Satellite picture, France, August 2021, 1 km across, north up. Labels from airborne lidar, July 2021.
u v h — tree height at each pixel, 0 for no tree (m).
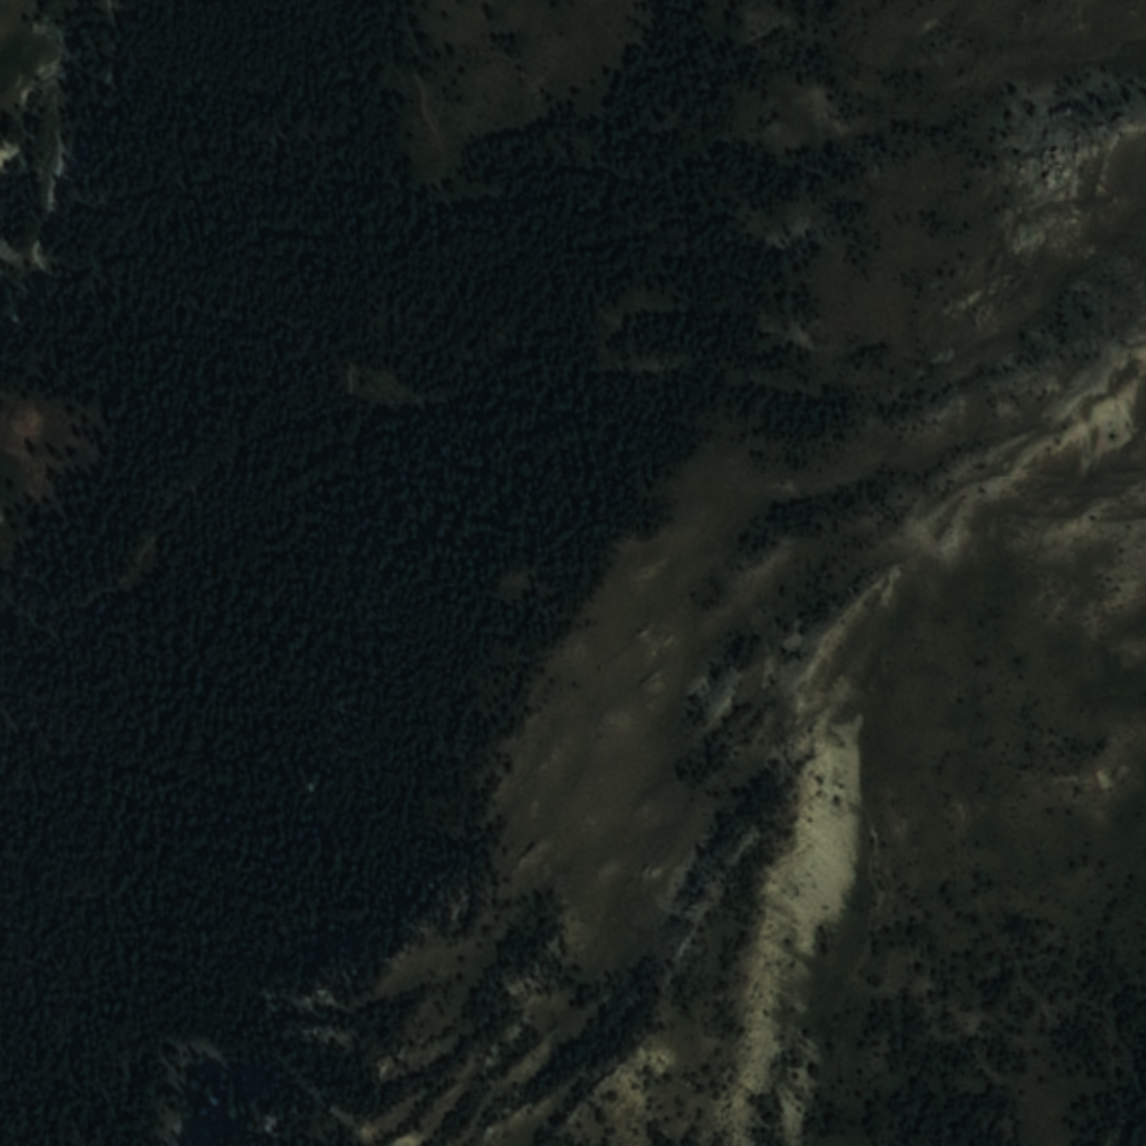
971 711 0
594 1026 7
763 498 0
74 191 10
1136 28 0
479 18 0
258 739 17
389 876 12
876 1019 10
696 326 11
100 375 13
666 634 0
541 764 0
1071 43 0
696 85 7
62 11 0
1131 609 0
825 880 0
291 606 16
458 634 10
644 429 11
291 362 17
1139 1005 7
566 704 0
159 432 7
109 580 11
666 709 0
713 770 6
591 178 18
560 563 11
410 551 7
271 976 9
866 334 0
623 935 0
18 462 0
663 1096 0
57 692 22
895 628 0
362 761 10
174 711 18
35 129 16
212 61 21
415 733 11
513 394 14
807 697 0
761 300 8
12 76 0
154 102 20
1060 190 0
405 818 16
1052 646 0
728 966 9
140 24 21
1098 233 0
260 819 17
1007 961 7
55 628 10
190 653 21
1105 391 0
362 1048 12
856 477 0
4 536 0
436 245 19
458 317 13
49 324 22
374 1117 7
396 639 10
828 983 0
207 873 14
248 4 21
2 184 8
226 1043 11
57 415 0
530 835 0
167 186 21
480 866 11
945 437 0
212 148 19
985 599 0
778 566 0
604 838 0
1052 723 0
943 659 0
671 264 14
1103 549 0
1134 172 0
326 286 18
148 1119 14
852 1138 0
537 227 17
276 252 24
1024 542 0
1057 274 0
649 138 9
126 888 18
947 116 0
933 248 0
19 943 16
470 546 10
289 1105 7
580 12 0
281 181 19
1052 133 0
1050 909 0
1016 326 0
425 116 0
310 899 14
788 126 0
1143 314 0
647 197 12
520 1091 8
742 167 10
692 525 0
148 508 8
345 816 10
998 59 0
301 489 23
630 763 0
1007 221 0
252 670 21
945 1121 17
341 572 17
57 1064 19
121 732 15
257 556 21
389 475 7
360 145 19
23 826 18
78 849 14
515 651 12
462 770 12
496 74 0
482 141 8
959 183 0
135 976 15
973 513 0
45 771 20
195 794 18
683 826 0
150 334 13
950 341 0
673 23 14
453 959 0
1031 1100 0
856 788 0
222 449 14
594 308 6
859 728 0
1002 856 0
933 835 0
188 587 17
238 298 20
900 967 0
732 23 11
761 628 0
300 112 17
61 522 14
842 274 0
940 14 0
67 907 14
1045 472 0
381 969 8
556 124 13
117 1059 10
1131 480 0
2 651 19
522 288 13
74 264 21
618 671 0
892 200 0
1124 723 0
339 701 9
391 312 6
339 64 22
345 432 19
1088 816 0
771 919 0
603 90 0
